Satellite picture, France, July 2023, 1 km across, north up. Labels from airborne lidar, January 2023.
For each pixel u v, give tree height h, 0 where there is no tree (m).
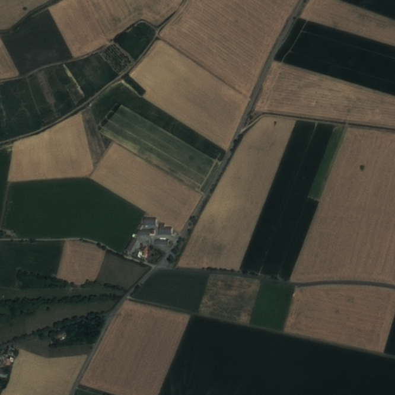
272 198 0
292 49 0
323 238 0
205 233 0
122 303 0
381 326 0
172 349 0
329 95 0
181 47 0
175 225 0
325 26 0
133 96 0
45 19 0
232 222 0
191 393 0
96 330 7
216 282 0
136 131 0
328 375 0
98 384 0
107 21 0
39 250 0
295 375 0
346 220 0
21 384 0
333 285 0
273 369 0
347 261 0
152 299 0
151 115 0
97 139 0
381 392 0
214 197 0
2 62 0
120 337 0
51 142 0
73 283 9
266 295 0
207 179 0
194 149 0
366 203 0
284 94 0
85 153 0
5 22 0
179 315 0
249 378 0
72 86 0
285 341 0
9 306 18
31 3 0
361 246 0
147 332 0
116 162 0
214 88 0
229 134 0
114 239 0
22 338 7
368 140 0
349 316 0
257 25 0
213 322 0
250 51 0
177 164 0
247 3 0
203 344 0
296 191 0
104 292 0
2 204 0
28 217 0
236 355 0
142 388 0
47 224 0
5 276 0
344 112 0
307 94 0
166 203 0
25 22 0
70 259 0
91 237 0
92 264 0
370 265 0
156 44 0
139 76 0
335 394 0
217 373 0
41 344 0
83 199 0
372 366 0
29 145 0
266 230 0
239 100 0
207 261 0
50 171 0
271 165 0
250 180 0
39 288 0
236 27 0
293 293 0
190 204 0
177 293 0
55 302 15
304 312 0
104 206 0
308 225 0
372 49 0
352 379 0
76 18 0
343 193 0
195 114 0
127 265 0
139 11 0
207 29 0
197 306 0
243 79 0
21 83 0
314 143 0
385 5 0
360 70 0
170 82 0
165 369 0
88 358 0
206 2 0
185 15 0
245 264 0
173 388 0
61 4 0
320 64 0
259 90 0
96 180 0
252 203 0
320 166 0
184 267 0
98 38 0
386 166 0
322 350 0
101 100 0
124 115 0
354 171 0
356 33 0
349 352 0
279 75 0
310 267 0
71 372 0
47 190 0
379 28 0
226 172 0
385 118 0
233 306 0
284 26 0
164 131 0
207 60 0
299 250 0
